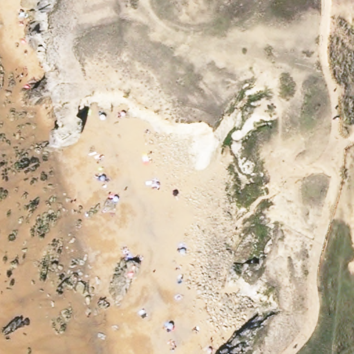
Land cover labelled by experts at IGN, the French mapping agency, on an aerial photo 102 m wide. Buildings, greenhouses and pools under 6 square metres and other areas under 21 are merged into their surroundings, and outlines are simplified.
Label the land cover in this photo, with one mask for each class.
<instances>
[{"label":"bare soil","instance_id":"1","mask_svg":"<svg viewBox=\"0 0 354 354\"><path fill-rule=\"evenodd\" d=\"M322 0H0V354H282L300 333L297 315H306L308 311V252L307 249H303L296 253L297 259L301 260V277H296L295 264L292 257L288 256L289 282L295 283L296 290L293 292V303L288 310H283L279 295L281 285L271 278L270 271L265 268L268 257L278 252L279 242L285 241L283 223L271 220L264 213L265 209L272 206V202L268 201L270 178L264 169V162L271 158L275 151L271 137L277 133L278 120H259L245 137L232 136L235 131L243 129L246 120L253 115L256 108L252 102L271 98L272 87L279 86L281 98L292 97L295 94V82L289 73H282L279 79L271 73V64L285 62L297 71L304 72L307 79L303 82V104L289 106V118L283 122L282 140L299 134L304 137V149L295 156V159L300 160L310 153L315 138L321 141L329 136L332 124L326 113L330 112V100L319 54ZM330 17L333 30L329 35V68L333 80L344 87V113L347 122L351 126L354 124V0H335ZM329 230L326 232L319 265L325 261L326 243L330 245L337 235L346 238L351 232L354 248V142L344 148L340 184L337 187L335 202L329 210ZM330 178L324 173H319L301 178V203L321 206L324 203Z\"/></svg>","mask_w":354,"mask_h":354},{"label":"pervious surface","instance_id":"2","mask_svg":"<svg viewBox=\"0 0 354 354\"><path fill-rule=\"evenodd\" d=\"M335 0H322L319 54L330 100V112L326 113L332 124L329 136L321 141L315 138L310 153L300 160L295 159V156L304 149V137L299 134L282 140L283 122L289 118V106L303 104V82L307 79L304 72L297 71L285 62L271 64V73L279 79L282 73H289L295 82V94L292 97L281 98L279 86L272 87L271 98L252 102L256 108L253 115L246 120L243 129L235 131L232 136L245 137L259 120H278L277 133L271 137L275 151L271 158L264 162V169L270 178L268 201L272 202V206L265 209L264 213L271 220L283 223L285 241L279 242L278 252L268 257L265 268L270 271L271 278L281 285L279 295L283 310H288L293 303V292L296 290L295 283L289 282L288 256L292 257L295 264L296 277H301V260L297 259L296 253L303 249H307L308 252V311L306 315H297L300 333L282 354H296L308 342L318 325L321 308V297L318 293L319 265L326 232L329 230V210L335 202L337 187L340 184L344 148L354 142V124L351 126L347 122L344 113V87L333 80L329 68V35L333 30L330 17ZM319 173H324L330 178L324 203L321 206L301 203V178Z\"/></svg>","mask_w":354,"mask_h":354},{"label":"herbaceous vegetation","instance_id":"3","mask_svg":"<svg viewBox=\"0 0 354 354\"><path fill-rule=\"evenodd\" d=\"M318 293L321 297V308L318 325L308 342L296 354H354V248L351 232L346 238L337 235L330 245L326 243L325 261L319 265Z\"/></svg>","mask_w":354,"mask_h":354}]
</instances>
